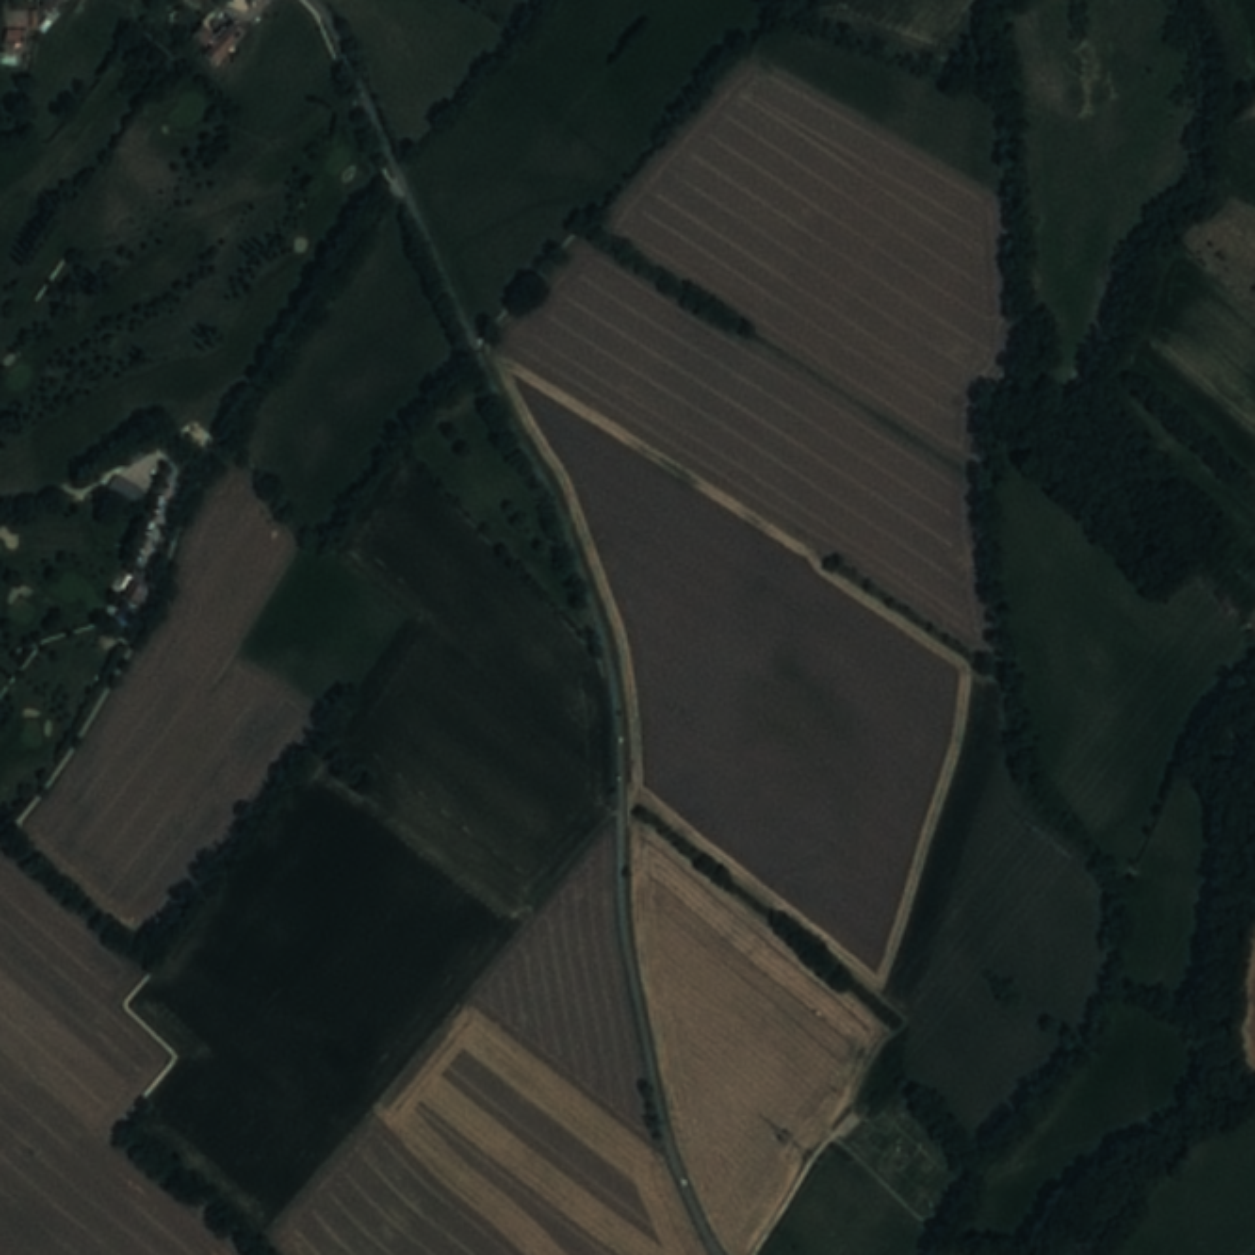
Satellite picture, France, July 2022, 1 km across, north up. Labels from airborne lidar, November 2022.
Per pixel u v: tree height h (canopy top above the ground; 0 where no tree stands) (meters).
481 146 0
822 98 0
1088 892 0
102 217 0
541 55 0
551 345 0
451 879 0
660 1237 0
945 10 0
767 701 0
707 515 0
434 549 0
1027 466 27
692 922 0
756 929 0
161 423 22
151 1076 0
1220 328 0
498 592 0
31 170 0
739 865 0
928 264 0
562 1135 0
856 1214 0
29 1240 0
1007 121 17
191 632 0
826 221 0
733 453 0
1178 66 0
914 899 0
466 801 0
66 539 0
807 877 0
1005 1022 0
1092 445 33
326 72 0
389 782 0
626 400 0
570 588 14
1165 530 28
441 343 0
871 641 0
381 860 0
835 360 0
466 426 0
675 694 0
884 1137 0
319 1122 0
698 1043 0
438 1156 0
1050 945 0
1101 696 0
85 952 0
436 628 0
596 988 0
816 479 0
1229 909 23
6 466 0
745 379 0
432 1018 0
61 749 7
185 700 0
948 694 0
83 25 0
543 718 0
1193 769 25
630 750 0
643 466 0
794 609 0
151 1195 0
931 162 0
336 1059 0
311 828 0
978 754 0
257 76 0
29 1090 0
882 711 0
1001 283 0
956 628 0
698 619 0
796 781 0
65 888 19
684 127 17
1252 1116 18
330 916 0
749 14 0
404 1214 0
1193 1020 26
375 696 0
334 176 0
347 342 0
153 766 0
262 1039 0
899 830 0
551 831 0
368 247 21
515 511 9
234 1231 17
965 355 0
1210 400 0
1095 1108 0
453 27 0
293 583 0
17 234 0
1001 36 20
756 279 0
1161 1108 0
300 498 0
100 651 0
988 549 22
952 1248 26
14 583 11
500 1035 0
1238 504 0
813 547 0
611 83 0
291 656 0
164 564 17
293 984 0
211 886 20
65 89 0
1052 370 16
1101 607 0
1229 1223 0
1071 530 0
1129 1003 14
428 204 0
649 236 0
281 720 0
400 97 0
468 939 0
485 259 0
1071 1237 26
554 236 0
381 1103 0
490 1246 0
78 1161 0
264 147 0
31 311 0
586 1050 0
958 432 0
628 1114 0
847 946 0
